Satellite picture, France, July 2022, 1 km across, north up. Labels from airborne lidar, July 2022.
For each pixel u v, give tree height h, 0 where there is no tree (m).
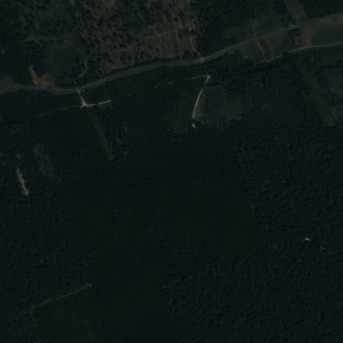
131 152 11
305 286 29
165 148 20
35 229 32
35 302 31
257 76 11
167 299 21
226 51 0
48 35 19
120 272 14
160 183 17
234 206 24
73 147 10
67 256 27
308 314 30
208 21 22
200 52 25
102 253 16
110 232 14
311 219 24
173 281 27
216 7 25
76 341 7
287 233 29
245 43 0
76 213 18
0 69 20
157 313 16
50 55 0
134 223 21
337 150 33
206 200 19
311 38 0
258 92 27
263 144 27
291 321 27
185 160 15
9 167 21
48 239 30
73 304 8
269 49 0
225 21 22
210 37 18
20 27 29
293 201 36
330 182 30
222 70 24
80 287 30
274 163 36
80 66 24
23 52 23
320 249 29
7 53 19
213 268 27
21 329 31
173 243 16
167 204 21
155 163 22
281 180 34
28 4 31
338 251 28
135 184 20
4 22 28
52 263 30
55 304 7
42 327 7
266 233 28
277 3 20
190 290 32
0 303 27
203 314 30
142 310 18
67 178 24
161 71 8
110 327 16
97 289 17
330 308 30
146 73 7
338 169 30
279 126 24
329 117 0
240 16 19
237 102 0
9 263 27
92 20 25
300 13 0
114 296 15
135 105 13
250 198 26
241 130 20
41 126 14
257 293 19
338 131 28
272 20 0
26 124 34
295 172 32
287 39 0
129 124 8
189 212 21
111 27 22
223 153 18
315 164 36
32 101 13
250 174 29
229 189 20
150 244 15
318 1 12
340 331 27
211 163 14
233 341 25
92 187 12
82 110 9
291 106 21
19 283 27
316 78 0
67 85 6
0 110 10
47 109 9
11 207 32
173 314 21
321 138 26
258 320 29
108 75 18
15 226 31
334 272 30
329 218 33
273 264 31
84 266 26
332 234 26
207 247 19
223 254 23
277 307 29
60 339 6
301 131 22
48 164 25
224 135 17
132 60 22
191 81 8
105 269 14
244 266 28
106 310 15
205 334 25
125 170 17
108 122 21
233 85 23
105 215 13
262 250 15
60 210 33
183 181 20
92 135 8
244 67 36
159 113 11
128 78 7
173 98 12
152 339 22
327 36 0
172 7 22
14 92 7
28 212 33
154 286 17
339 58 0
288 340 30
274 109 20
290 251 30
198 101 0
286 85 21
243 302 29
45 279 33
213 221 20
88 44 26
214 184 20
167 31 0
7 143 23
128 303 17
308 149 32
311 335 13
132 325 17
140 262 15
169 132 10
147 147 16
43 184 26
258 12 0
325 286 28
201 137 15
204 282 29
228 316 30
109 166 15
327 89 23
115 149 17
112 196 17
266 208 29
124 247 16
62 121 9
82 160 23
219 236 18
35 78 0
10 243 28
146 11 24
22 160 24
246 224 21
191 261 15
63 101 8
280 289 30
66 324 6
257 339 26
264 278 30
